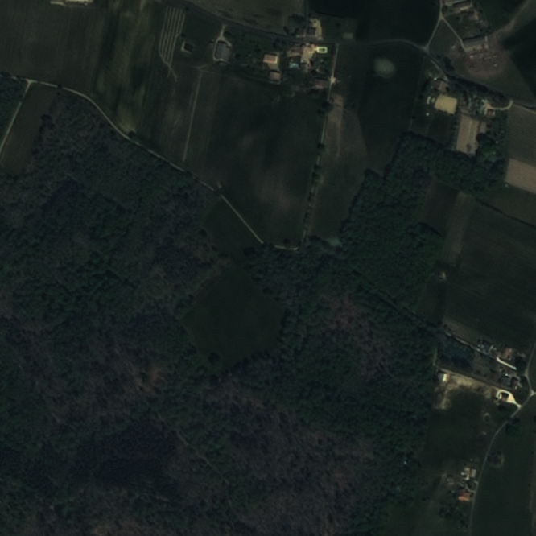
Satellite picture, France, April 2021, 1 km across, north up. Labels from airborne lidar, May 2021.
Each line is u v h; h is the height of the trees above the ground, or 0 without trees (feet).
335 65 0
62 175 18
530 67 0
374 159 0
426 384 43
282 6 0
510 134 0
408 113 0
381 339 33
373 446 36
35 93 0
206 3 0
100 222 63
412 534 0
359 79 0
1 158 0
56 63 0
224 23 0
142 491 37
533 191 0
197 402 67
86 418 45
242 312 0
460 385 0
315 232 0
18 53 0
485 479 0
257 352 0
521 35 0
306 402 66
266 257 27
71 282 74
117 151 23
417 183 55
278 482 54
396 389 57
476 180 61
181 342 70
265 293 42
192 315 0
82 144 22
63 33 0
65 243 71
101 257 71
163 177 51
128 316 57
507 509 0
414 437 51
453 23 0
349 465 24
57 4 0
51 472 61
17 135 0
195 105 0
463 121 0
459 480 0
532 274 0
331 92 0
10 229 19
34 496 58
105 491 63
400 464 47
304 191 0
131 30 0
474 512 0
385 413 70
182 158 0
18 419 81
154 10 0
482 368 0
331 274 81
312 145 0
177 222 44
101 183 35
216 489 30
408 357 62
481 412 0
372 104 0
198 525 48
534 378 0
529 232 0
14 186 37
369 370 32
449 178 61
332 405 92
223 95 0
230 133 0
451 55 0
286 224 0
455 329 0
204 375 32
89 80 0
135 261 45
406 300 69
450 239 0
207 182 0
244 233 0
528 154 0
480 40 0
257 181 0
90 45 0
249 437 45
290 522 40
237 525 66
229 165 0
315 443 31
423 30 0
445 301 0
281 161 0
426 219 0
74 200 84
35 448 77
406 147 47
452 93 36
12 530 52
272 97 0
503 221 0
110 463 35
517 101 0
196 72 0
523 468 0
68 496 59
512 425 31
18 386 59
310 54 0
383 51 0
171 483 40
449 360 52
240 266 0
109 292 78
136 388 44
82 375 53
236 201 0
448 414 0
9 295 27
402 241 73
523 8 0
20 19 0
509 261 0
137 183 50
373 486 46
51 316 37
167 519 63
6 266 68
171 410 66
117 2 0
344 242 50
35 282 44
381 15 0
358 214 55
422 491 0
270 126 0
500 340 0
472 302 0
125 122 0
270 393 61
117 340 44
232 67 0
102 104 0
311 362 50
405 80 0
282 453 28
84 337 51
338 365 65
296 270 31
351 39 0
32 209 40
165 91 0
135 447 54
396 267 61
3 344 60
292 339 70
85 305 81
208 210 30
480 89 51
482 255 0
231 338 0
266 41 0
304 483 39
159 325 76
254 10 0
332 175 0
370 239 54
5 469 73
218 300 0
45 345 54
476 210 0
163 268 34
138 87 0
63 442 73
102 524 21
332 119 0
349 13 0
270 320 0
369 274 58
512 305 0
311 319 44
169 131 0
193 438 45
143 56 0
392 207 67
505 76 0
